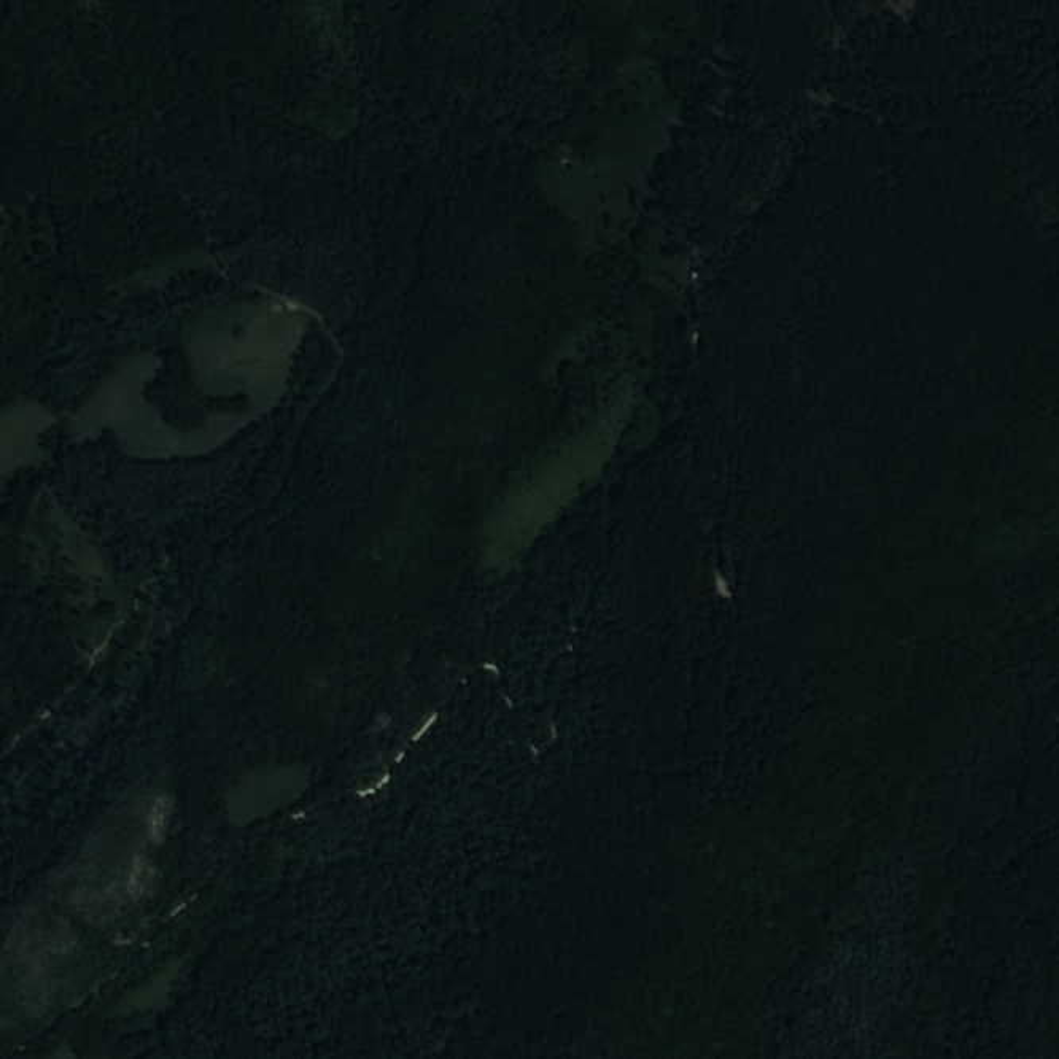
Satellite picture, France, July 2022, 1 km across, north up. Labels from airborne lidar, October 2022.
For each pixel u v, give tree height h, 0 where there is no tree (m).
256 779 0
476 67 15
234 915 26
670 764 25
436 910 13
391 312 26
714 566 20
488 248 11
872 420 21
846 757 27
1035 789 37
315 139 14
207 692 12
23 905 8
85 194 23
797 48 18
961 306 19
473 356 15
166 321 21
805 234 29
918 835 19
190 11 21
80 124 29
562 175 0
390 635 15
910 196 28
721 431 28
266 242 28
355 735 12
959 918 30
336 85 7
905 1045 27
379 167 25
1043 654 23
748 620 24
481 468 25
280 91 23
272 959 20
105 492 22
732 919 22
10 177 24
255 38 25
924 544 21
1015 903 27
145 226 22
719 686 28
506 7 27
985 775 22
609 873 18
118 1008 9
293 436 22
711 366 27
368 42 14
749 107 29
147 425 0
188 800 18
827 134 33
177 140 18
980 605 28
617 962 16
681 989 20
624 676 25
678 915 20
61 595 5
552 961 11
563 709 21
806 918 23
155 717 11
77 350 20
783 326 15
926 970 24
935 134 28
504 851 20
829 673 19
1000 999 29
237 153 17
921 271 21
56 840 20
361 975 17
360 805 20
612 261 14
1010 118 18
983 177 24
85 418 0
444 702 14
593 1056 15
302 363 24
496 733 19
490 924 22
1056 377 19
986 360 14
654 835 24
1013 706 10
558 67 8
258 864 15
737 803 20
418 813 17
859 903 25
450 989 22
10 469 0
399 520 11
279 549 23
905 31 29
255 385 0
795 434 23
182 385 19
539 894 18
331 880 21
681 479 29
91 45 28
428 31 21
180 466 25
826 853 17
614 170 0
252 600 14
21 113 26
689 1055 20
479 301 14
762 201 29
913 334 16
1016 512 17
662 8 16
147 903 7
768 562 25
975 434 18
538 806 20
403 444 13
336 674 9
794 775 17
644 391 6
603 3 12
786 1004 28
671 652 26
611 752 23
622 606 25
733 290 26
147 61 25
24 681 16
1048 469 9
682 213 30
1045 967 27
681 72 28
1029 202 12
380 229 29
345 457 16
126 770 9
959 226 26
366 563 8
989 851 33
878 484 19
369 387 14
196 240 8
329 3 10
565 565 24
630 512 27
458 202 29
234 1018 19
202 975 27
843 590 19
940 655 23
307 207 17
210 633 13
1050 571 27
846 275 26
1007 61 26
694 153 31
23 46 21
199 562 22
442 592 21
